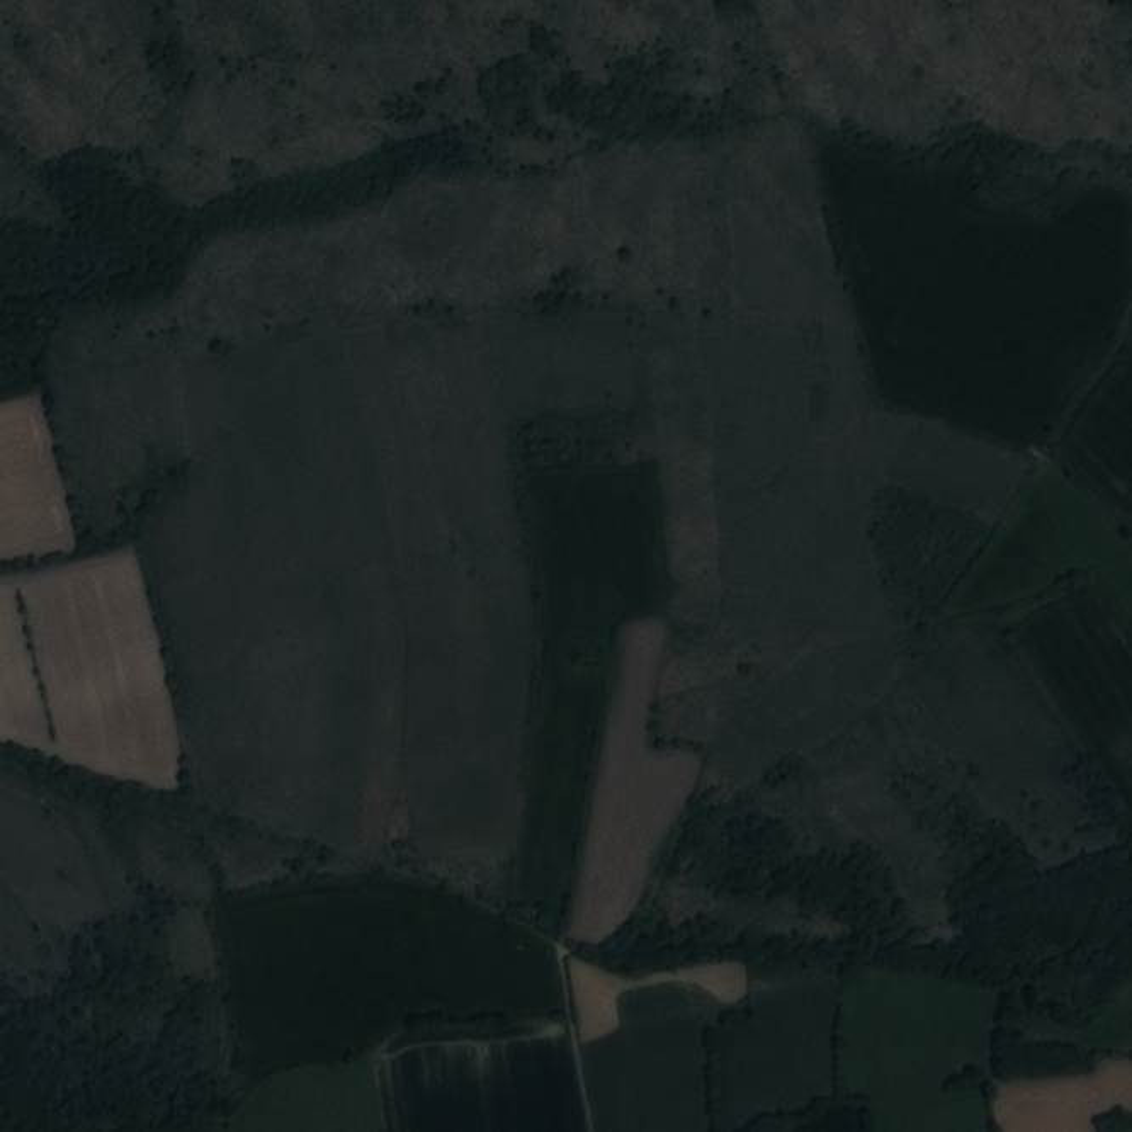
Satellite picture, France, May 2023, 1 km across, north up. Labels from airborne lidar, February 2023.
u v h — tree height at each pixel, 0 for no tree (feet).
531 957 0
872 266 0
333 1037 0
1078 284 0
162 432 0
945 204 0
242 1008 0
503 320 0
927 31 0
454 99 0
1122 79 0
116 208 41
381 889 0
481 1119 0
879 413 0
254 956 0
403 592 0
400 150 35
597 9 0
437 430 0
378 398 0
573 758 0
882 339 0
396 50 0
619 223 0
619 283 0
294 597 0
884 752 0
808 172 0
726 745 0
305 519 0
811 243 0
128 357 0
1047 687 0
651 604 0
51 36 0
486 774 0
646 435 0
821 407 0
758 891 31
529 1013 0
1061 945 68
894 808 0
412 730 0
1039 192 0
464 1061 0
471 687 0
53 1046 33
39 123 0
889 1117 0
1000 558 0
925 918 0
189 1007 26
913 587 21
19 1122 57
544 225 0
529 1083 0
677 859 27
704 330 0
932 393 0
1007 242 0
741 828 44
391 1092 0
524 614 0
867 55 0
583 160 0
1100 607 0
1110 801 55
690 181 0
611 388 0
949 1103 0
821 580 0
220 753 0
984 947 57
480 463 0
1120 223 0
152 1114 43
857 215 0
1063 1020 69
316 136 0
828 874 51
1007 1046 72
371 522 0
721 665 0
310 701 0
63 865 0
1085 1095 0
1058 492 0
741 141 0
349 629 0
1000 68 0
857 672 0
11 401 0
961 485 0
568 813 0
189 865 0
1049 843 24
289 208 21
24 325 40
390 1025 0
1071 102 0
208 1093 35
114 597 0
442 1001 0
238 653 0
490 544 0
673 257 0
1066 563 0
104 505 0
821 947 51
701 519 0
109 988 42
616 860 0
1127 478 0
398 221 0
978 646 0
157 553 0
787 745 0
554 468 0
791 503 0
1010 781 0
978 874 52
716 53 0
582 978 0
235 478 0
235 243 0
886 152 29
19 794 0
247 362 0
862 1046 0
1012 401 0
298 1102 0
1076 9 0
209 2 0
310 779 0
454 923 0
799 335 0
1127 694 0
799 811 0
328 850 21
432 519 0
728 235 0
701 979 0
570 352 0
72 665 0
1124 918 53
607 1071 0
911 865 0
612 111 20
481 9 0
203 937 0
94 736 0
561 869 0
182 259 25
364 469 0
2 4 0
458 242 0
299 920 0
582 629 0
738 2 22
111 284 48
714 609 0
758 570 0
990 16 0
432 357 0
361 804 0
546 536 0
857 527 0
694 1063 0
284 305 0
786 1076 0
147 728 0
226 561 0
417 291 0
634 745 0
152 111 0
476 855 0
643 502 0
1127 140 0
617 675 0
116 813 29
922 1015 0
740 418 0
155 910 35
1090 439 0
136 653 0
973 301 0
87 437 0
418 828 0
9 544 0
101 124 0
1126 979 58
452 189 0
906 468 0
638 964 51
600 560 0
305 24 0
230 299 0
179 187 0
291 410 0
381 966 0
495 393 0
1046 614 0
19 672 0
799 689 0
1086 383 0
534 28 22
